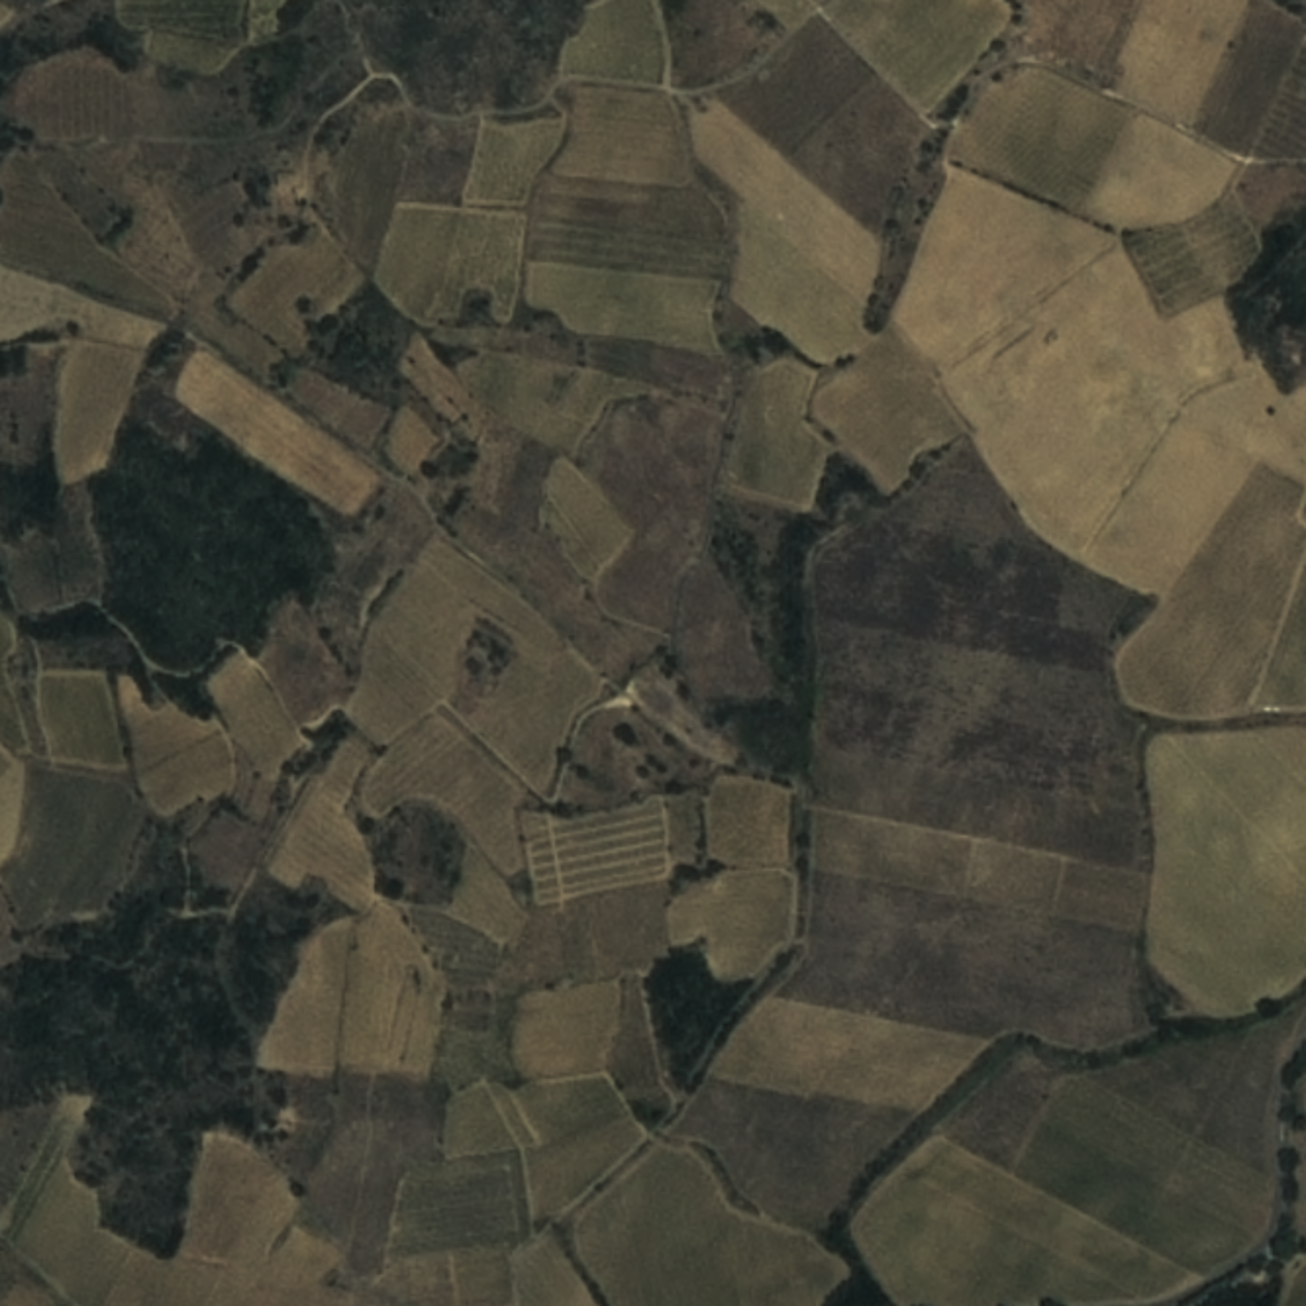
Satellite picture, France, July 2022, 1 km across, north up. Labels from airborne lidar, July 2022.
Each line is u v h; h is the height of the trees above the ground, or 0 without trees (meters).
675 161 0
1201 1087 0
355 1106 0
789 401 0
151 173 0
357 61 0
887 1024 0
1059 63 0
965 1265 0
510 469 0
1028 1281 0
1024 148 0
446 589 0
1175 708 0
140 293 0
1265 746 0
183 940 6
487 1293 0
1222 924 0
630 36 0
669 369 0
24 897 0
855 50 0
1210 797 0
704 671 0
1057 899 0
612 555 0
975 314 0
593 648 0
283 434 0
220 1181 0
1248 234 0
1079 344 0
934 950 0
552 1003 0
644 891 0
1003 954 0
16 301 0
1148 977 0
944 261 0
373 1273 0
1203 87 0
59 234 0
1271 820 0
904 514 0
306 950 0
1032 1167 0
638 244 0
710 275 0
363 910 0
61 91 0
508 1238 0
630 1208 0
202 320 0
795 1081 0
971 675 0
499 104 0
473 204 0
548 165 0
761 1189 0
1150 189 0
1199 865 0
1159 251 0
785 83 0
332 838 0
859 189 0
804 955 0
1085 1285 0
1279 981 0
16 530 6
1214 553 0
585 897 0
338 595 0
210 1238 0
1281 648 0
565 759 10
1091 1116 0
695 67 0
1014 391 0
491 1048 0
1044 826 0
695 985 6
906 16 0
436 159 0
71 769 0
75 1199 0
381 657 0
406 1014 0
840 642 0
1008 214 0
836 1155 0
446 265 0
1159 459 0
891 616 0
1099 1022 0
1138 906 0
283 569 9
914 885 0
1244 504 0
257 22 0
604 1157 0
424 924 0
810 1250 0
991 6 0
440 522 6
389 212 0
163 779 0
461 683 0
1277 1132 0
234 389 0
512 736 0
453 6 0
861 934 0
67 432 0
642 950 0
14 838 0
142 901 7
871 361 0
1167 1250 0
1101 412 0
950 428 0
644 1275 0
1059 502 0
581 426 0
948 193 0
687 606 0
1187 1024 8
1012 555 0
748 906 0
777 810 0
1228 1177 0
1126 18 0
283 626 0
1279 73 0
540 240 0
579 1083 0
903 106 0
